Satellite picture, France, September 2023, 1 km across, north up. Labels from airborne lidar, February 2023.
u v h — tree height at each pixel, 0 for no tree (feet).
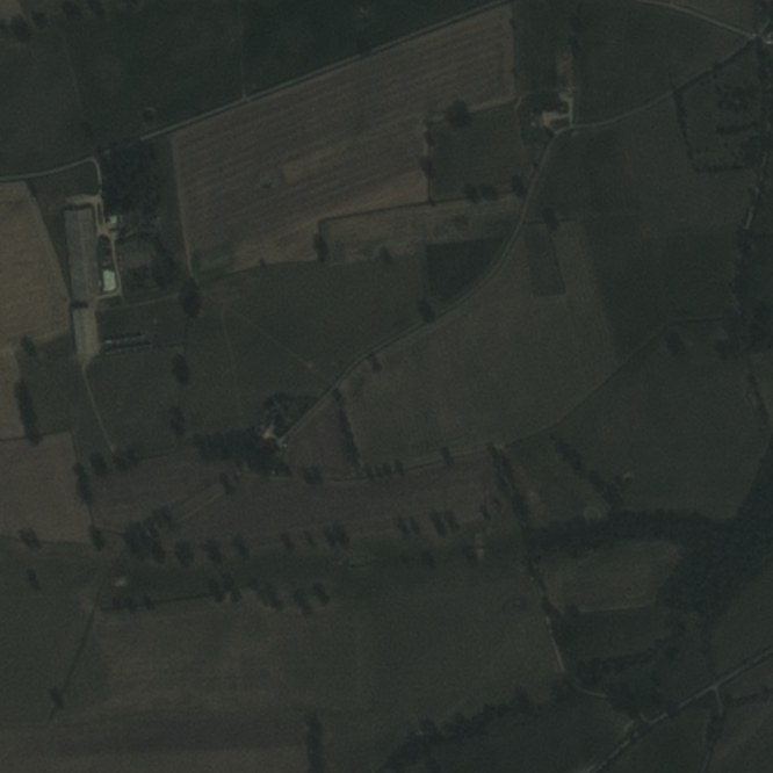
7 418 0
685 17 0
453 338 0
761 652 0
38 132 0
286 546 47
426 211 0
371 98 0
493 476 0
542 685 0
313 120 0
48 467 0
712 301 0
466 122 40
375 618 0
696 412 0
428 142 37
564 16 0
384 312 0
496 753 0
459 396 0
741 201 0
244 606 0
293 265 0
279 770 0
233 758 0
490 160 0
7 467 0
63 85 0
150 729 0
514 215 0
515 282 0
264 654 0
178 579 0
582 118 0
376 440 0
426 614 0
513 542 0
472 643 0
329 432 0
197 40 0
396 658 0
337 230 0
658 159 0
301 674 0
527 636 0
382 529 0
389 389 0
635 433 0
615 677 0
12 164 0
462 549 0
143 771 0
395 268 0
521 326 0
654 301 0
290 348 0
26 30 52
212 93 0
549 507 0
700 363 0
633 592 0
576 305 0
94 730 0
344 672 0
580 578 0
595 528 56
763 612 0
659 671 0
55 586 0
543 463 0
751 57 0
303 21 0
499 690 0
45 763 0
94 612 0
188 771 0
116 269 0
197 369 0
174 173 0
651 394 0
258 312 0
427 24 0
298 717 0
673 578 26
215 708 0
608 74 0
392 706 0
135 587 0
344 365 0
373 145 0
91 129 48
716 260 0
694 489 0
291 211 0
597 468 0
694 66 0
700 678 0
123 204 51
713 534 44
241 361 0
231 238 0
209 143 0
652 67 0
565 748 0
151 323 0
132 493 0
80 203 0
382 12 0
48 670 0
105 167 74
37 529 0
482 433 0
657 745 0
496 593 0
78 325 0
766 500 60
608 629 0
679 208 0
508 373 0
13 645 0
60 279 0
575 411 0
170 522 51
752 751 0
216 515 0
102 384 0
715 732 26
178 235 0
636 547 0
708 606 46
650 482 0
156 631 0
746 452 0
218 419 0
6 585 0
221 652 0
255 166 0
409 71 0
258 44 0
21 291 0
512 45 0
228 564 0
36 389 0
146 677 0
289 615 0
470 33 0
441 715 0
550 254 0
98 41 0
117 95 0
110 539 0
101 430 0
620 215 0
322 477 48
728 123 0
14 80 0
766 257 0
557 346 0
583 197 0
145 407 0
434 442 0
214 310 0
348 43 0
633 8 0
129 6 54
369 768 0
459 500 0
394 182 0
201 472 0
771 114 36
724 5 0
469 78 0
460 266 0
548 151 0
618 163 0
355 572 0
